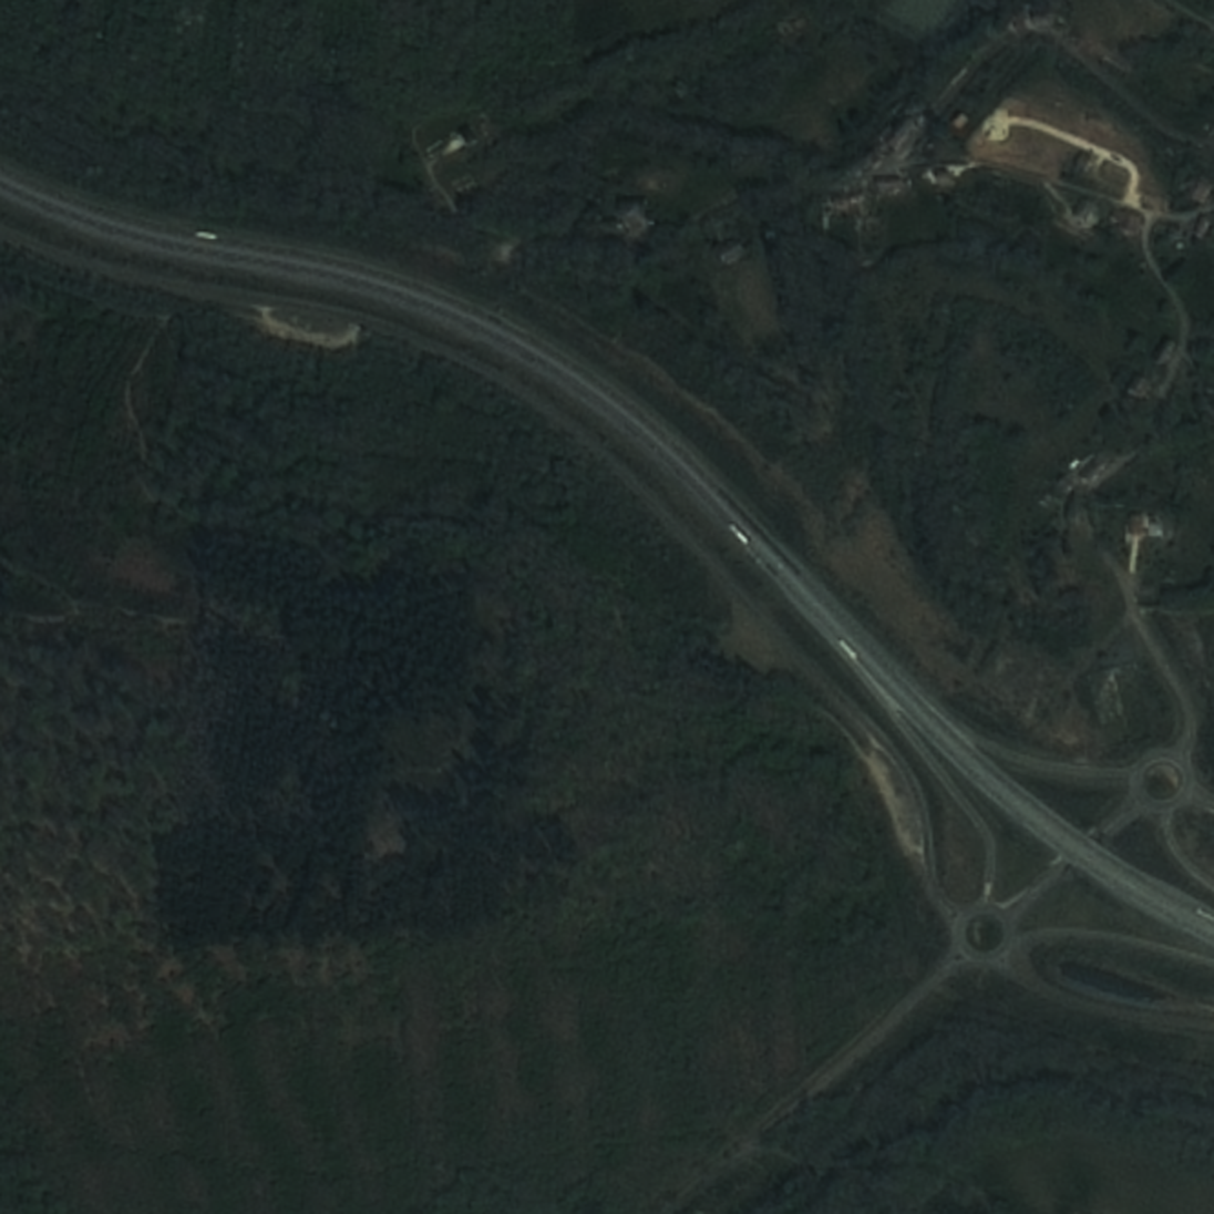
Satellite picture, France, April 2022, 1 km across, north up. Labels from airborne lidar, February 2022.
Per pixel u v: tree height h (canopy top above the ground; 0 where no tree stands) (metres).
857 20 16
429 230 14
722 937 13
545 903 22
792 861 24
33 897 26
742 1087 9
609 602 19
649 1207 12
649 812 22
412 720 37
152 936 22
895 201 0
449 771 0
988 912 0
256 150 23
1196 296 0
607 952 14
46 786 27
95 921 23
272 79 16
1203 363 14
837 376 28
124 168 22
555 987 13
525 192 9
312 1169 12
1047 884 0
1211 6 6
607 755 24
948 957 0
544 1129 10
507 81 11
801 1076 12
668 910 21
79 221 0
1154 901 0
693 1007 14
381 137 23
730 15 15
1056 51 15
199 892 25
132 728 30
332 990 10
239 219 9
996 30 17
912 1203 25
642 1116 13
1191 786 0
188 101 19
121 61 24
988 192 16
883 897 10
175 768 23
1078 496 8
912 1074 24
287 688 20
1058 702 0
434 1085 14
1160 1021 0
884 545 0
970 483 12
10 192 0
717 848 23
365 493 15
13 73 24
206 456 24
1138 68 11
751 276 0
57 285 10
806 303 22
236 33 16
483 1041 10
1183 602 17
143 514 9
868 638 0
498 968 15
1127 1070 13
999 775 0
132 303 10
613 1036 12
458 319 0
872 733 0
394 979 14
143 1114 11
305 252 0
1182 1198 0
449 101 20
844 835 30
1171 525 0
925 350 6
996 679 0
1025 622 10
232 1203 10
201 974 16
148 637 7
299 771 21
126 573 0
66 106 23
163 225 0
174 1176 11
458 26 25
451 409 20
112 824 23
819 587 0
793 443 25
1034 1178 0
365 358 11
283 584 31
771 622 0
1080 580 0
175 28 17
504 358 0
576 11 22
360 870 25
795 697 17
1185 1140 24
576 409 0
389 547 25
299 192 26
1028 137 0
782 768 18
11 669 26
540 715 23
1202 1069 9
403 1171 9
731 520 0
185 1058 11
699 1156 14
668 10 0
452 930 25
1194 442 14
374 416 13
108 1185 9
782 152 29
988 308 7
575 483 15
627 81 23
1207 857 0
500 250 0
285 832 22
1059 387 11
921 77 13
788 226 28
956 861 0
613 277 26
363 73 19
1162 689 6
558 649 21
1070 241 0
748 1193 0
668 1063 18
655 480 0
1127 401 13
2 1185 20
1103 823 0
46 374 6
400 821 17
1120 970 0
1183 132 0
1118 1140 23
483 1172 14
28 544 0
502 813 22
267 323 0
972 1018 16
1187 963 0
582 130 24
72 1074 11
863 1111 21
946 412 15
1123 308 0
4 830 26
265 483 31
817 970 12
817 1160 23
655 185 0
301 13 16
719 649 23
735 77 25
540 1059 11
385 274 0
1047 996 0
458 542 22
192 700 20
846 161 8
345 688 22
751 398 25
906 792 0
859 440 8
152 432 7
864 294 19
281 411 29
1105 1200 0
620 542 7
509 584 25
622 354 0
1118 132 0
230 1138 13
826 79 0
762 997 8
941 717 0
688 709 20
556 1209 24
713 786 26
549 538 23
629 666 22
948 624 0
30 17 15
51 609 0
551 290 10
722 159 12
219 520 32
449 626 33
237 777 20
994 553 8
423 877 12
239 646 18
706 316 8
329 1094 10
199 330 17
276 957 9
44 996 11
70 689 27
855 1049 0
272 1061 13
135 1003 14
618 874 24
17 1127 21
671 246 22
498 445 11
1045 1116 22
